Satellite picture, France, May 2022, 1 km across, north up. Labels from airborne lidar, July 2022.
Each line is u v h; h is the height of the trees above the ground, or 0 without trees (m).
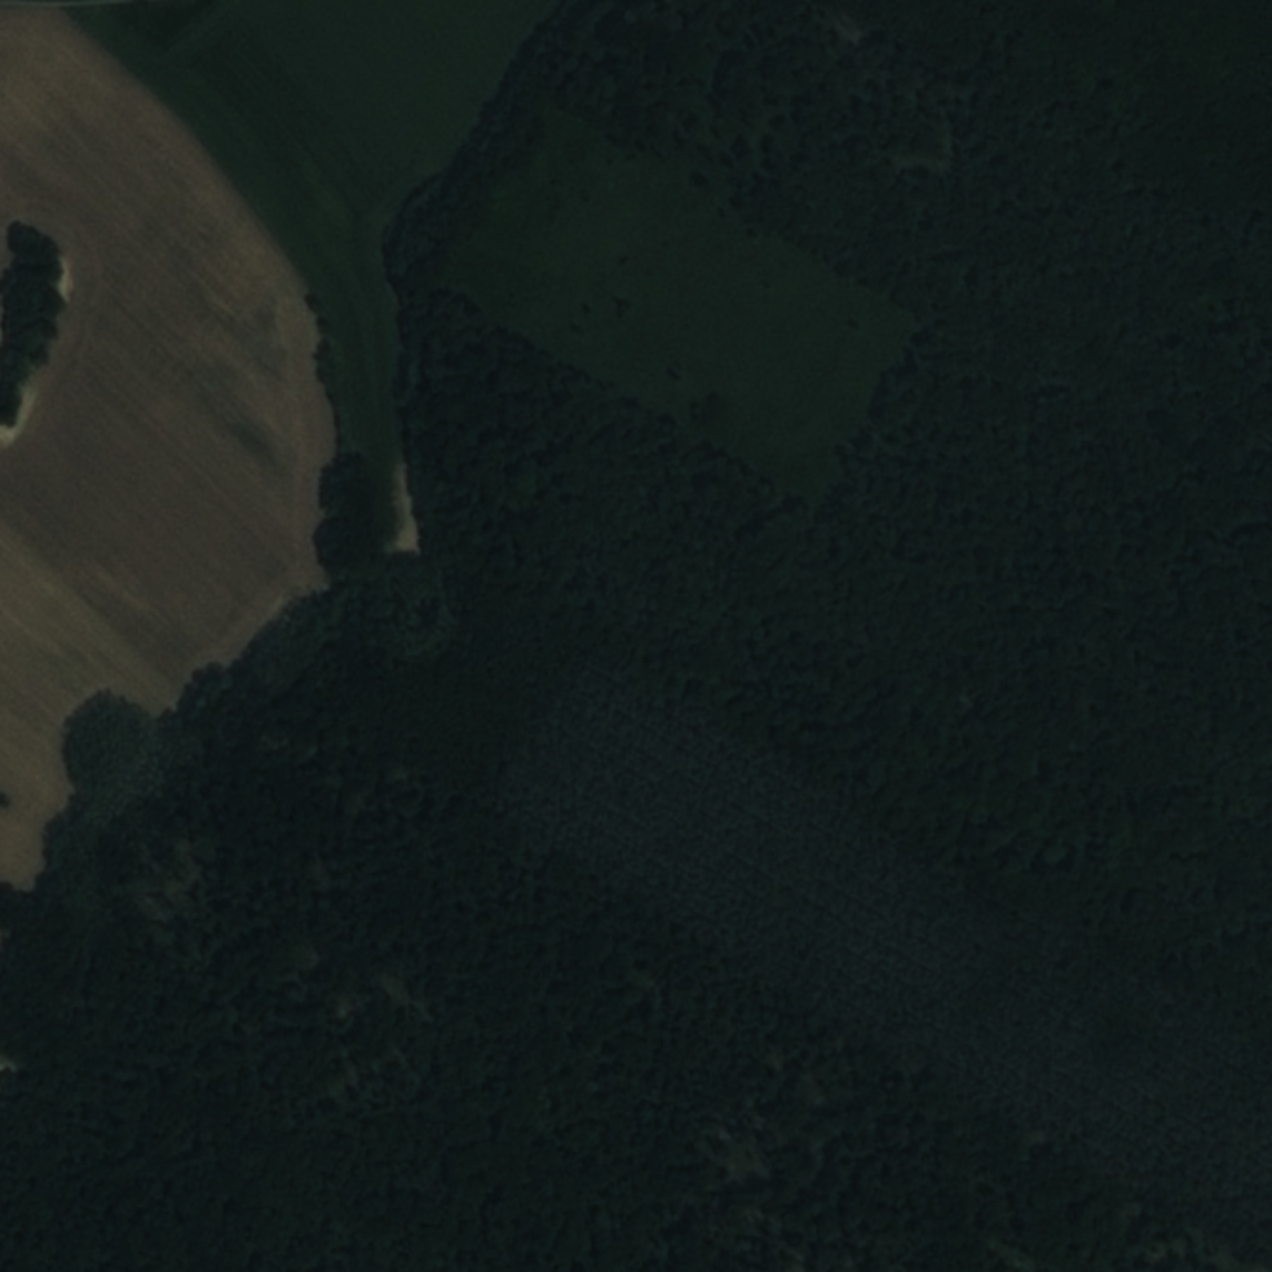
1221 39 10
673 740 17
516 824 15
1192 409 15
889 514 16
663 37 27
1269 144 14
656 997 10
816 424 0
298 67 0
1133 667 20
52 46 0
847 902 15
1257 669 20
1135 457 18
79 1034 17
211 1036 18
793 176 15
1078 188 16
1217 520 20
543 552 16
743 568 19
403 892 19
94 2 0
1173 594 7
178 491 0
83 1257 17
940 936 21
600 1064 8
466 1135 18
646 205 0
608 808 12
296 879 22
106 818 25
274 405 0
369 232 0
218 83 0
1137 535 24
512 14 0
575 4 7
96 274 0
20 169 0
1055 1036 18
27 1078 15
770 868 15
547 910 15
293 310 0
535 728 16
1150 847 19
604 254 0
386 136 0
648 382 0
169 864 21
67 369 0
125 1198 22
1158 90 12
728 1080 12
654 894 16
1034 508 20
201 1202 22
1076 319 15
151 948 20
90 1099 19
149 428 0
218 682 23
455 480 21
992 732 21
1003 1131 17
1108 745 21
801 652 22
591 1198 17
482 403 27
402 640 27
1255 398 21
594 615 18
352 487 24
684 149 18
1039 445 18
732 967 12
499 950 14
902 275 20
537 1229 18
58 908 26
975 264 18
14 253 15
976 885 18
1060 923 18
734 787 16
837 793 18
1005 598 21
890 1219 21
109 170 0
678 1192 18
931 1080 15
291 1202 17
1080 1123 13
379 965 22
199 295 0
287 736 25
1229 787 18
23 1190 18
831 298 0
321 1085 20
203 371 0
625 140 23
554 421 17
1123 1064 15
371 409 0
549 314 0
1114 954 16
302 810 23
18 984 18
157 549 0
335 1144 19
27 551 0
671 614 19
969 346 17
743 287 0
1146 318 17
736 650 19
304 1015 18
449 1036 16
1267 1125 19
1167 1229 19
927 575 20
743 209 17
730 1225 24
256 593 0
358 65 0
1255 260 20
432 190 11
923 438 13
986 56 16
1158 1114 10
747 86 19
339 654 16
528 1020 18
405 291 25
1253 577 19
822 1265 21
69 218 0
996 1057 15
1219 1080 15
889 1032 14
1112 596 21
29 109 0
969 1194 16
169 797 26
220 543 0
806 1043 15
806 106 16
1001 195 15
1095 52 10
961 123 17
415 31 0
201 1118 23
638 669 17
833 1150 17
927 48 9
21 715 0
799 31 21
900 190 15
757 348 0
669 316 0
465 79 0
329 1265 18
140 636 0
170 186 0
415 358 17
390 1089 18
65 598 0
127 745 27
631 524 14
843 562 19
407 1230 20
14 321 8
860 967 17
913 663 17
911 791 27
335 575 18
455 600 18
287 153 0
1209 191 10
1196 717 21
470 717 11
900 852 14
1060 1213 24
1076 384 16
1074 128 14
